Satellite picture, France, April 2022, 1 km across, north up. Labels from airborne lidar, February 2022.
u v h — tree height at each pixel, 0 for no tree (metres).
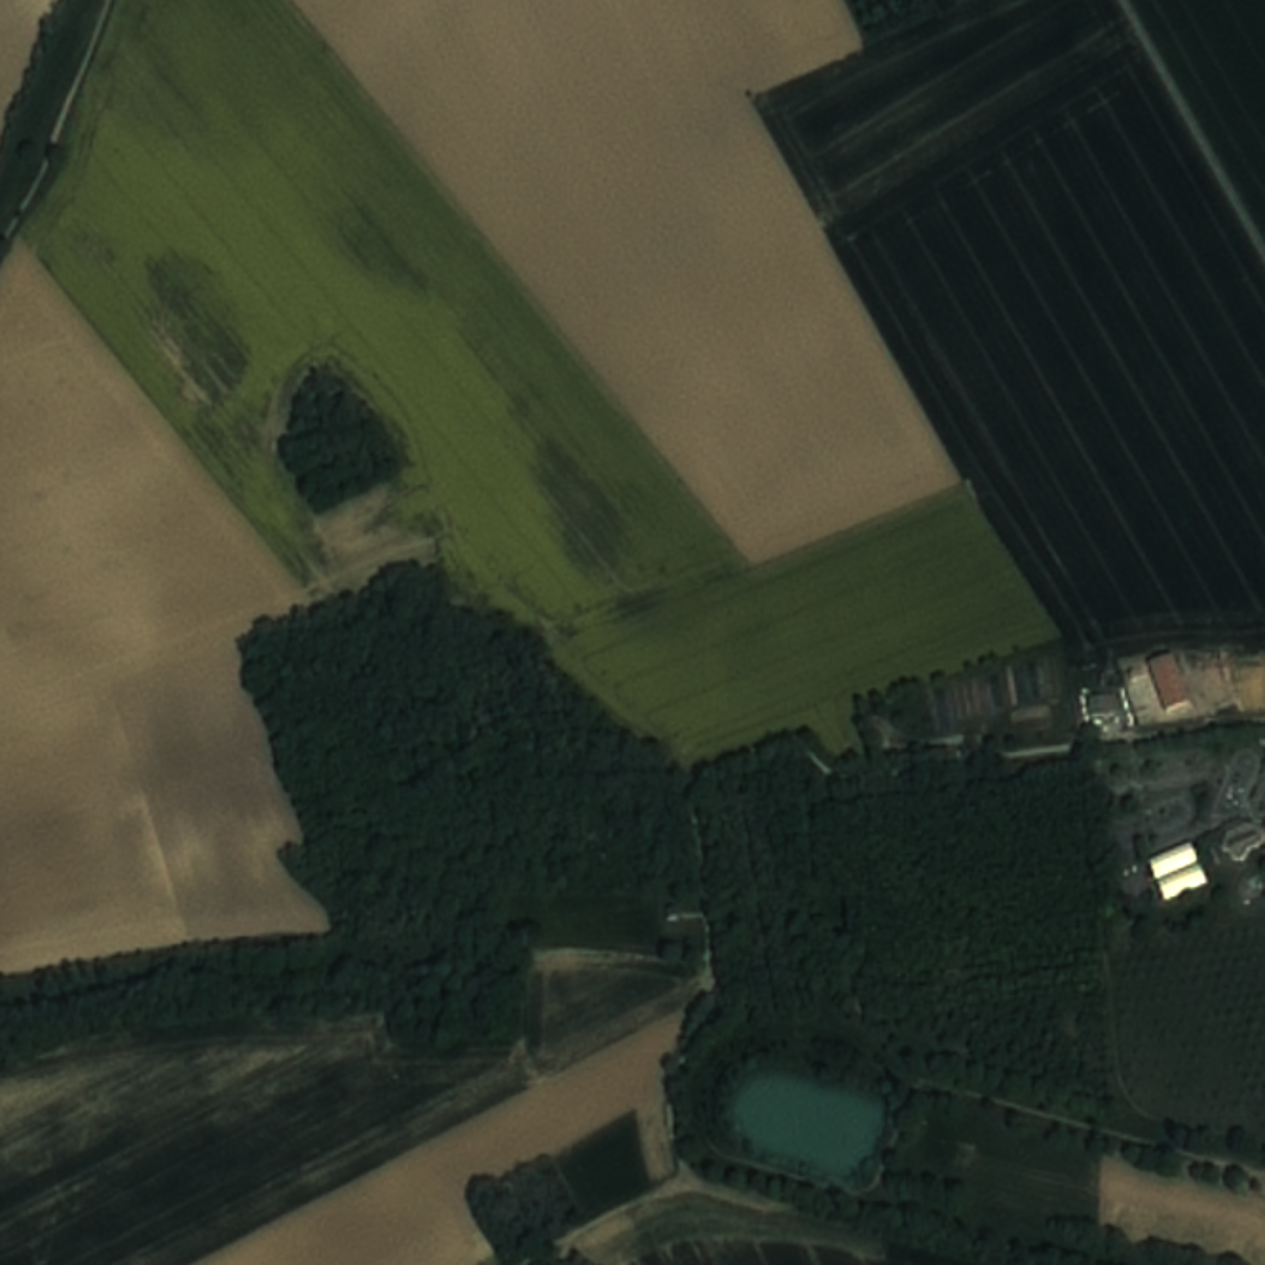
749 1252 0
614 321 0
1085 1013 8
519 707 22
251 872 0
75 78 0
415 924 17
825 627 0
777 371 0
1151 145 0
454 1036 17
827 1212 20
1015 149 0
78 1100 0
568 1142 0
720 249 0
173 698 0
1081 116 0
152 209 0
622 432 0
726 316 0
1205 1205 0
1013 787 13
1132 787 0
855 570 0
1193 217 0
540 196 0
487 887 22
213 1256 0
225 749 0
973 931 7
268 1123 0
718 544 0
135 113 0
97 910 0
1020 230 0
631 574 0
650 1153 0
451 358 0
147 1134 0
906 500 0
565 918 0
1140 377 0
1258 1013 10
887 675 0
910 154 0
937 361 0
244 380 0
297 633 15
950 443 0
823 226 0
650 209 0
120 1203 0
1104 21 0
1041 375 0
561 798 22
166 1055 0
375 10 0
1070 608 0
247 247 0
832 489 0
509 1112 0
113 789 0
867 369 0
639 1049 0
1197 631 0
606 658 0
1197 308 0
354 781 21
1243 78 0
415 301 0
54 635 0
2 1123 0
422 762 19
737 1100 0
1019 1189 0
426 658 23
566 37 0
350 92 0
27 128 0
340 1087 0
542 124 0
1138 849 9
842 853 14
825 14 0
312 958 16
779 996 16
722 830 17
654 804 19
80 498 0
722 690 0
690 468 0
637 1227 0
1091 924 13
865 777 17
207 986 21
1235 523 0
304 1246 0
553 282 0
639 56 0
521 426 0
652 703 0
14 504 0
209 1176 0
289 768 16
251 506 0
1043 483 0
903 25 14
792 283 0
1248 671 0
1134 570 0
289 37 0
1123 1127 0
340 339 0
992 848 15
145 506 0
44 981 8
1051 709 0
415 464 0
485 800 23
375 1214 0
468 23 0
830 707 0
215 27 0
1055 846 16
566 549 0
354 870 8
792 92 0
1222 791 0
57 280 0
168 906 0
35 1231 0
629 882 11
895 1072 0
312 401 7
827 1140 0
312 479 16
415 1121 0
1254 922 0
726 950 17
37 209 0
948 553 0
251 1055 0
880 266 0
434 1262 0
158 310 0
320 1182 0
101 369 0
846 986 17
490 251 0
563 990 0
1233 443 0
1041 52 0
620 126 0
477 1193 17
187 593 0
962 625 0
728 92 0
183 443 0
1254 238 0
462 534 0
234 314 0
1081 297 0
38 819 0
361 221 0
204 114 0
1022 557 0
